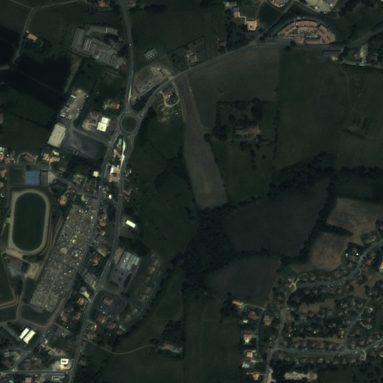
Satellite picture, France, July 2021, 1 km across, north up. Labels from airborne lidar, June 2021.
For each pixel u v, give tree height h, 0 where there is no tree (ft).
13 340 57
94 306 0
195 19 0
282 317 0
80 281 22
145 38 0
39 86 0
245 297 0
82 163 47
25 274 0
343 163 0
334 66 0
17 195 0
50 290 0
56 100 0
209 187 0
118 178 0
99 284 0
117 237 0
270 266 0
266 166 0
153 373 0
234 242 0
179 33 0
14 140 0
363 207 0
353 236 0
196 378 0
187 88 0
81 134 0
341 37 0
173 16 0
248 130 0
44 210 0
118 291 0
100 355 0
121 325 0
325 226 68
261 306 0
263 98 0
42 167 0
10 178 0
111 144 0
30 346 0
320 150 0
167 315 0
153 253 0
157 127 0
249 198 0
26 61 0
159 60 0
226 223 0
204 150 0
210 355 0
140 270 0
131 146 0
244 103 31
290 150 0
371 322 28
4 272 0
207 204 0
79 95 0
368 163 0
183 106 0
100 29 0
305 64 0
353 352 0
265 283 0
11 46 0
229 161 0
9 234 0
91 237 0
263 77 0
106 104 0
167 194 0
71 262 0
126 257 0
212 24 0
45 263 0
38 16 0
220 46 31
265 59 0
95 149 0
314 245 0
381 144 0
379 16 0
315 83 0
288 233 0
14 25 0
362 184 0
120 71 21
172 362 0
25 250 0
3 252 0
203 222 23
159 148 0
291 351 0
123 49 28
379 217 0
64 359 0
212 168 0
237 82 0
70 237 0
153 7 48
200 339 0
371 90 0
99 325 0
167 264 0
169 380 0
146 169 0
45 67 0
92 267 34
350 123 0
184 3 0
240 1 0
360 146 0
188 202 0
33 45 27
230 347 0
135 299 0
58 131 0
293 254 0
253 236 0
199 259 30
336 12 0
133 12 37
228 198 19
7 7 0
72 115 0
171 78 0
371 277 0
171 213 0
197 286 22
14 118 0
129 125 0
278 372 27
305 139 0
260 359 0
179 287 0
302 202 0
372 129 0
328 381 0
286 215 0
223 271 0
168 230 0
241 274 0
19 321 0
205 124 0
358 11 0
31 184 0
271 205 0
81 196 0
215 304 0
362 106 0
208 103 0
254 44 0
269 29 24
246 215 0
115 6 41
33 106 0
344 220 0
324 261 0
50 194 0
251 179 0
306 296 43
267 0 0
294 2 0
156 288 0
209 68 0
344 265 0
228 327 0
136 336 0
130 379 0
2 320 0
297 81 0
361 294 0
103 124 0
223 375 0
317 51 0
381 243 0
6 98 0
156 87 19
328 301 0
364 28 0
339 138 0
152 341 33
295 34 0
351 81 0
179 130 0
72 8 0
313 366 31
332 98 0
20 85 0
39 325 0
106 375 0
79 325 19
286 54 0
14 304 0
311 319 26
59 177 0
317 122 0
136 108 25
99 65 0
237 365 0
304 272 0
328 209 36
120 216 0
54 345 0
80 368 19
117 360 0
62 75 0
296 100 0
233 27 41
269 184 0
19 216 0
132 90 0
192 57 0
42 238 0
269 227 0
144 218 0
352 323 0
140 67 0
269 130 0
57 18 0
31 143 0
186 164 0
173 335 26
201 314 0
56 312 0
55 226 0
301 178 70
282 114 0
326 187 0
